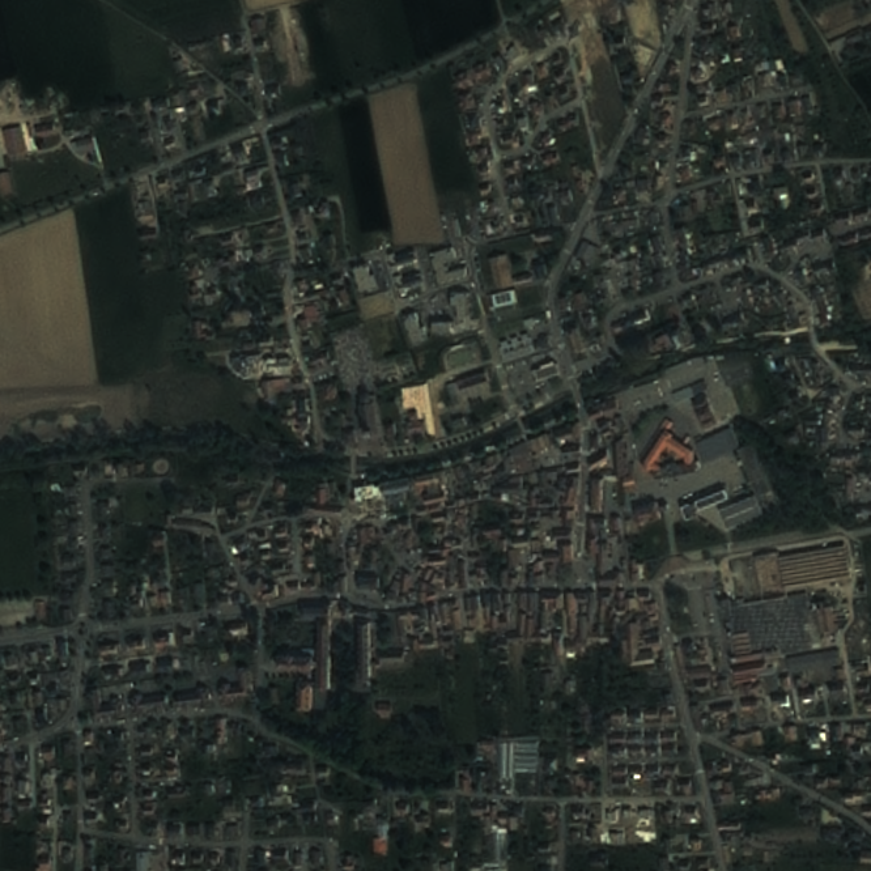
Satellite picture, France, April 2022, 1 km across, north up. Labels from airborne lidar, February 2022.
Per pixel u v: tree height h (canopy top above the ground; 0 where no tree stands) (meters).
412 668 0
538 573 0
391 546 0
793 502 23
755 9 0
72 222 0
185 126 0
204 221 9
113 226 0
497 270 0
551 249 12
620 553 0
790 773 0
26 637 0
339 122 0
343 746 16
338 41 0
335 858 0
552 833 0
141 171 0
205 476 0
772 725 0
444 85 0
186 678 8
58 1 0
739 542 0
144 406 0
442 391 0
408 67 0
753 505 0
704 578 0
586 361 0
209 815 0
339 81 0
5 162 0
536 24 0
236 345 0
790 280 0
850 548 0
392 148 0
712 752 0
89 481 0
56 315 0
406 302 0
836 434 0
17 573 0
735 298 0
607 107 0
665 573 0
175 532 7
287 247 0
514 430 0
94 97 0
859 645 0
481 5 0
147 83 0
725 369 0
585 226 0
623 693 6
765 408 0
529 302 0
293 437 0
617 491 0
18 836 8
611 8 0
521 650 0
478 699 8
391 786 27
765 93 0
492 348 0
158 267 0
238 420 0
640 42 0
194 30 0
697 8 0
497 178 0
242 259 0
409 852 11
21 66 0
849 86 0
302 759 6
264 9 0
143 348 0
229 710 0
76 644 8
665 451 0
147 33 0
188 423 0
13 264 0
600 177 0
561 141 0
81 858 0
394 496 0
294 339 0
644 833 0
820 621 0
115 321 0
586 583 0
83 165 0
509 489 0
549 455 0
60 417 0
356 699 18
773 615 0
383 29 0
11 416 0
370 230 0
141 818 6
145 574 0
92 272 0
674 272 0
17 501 0
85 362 0
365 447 0
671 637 0
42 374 0
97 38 0
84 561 0
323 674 0
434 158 0
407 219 0
